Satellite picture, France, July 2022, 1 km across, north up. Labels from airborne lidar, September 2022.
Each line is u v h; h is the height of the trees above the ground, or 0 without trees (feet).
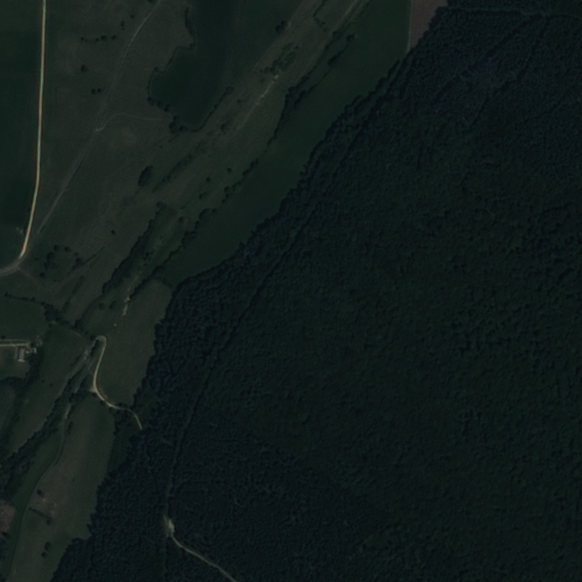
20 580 0
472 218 57
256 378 47
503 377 62
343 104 0
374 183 57
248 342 47
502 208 61
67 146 0
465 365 65
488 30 60
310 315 43
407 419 63
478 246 58
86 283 0
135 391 0
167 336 56
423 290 52
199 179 0
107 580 70
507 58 60
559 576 62
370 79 0
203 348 73
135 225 0
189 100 0
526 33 61
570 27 52
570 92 73
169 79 0
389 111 81
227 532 69
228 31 0
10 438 33
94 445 0
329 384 59
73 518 0
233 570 74
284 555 58
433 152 71
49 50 0
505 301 54
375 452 59
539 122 68
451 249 64
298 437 59
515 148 68
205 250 0
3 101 0
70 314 0
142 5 0
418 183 53
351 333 67
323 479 61
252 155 0
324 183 69
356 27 0
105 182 0
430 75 70
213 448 43
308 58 0
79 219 0
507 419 73
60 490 0
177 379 88
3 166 0
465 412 52
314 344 45
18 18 0
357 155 57
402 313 44
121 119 0
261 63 0
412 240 55
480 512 53
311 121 0
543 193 51
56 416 21
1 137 0
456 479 50
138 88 0
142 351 0
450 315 58
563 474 53
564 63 63
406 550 52
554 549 58
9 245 0
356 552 58
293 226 60
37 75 0
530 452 55
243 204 0
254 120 0
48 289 0
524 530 59
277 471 68
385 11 0
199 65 0
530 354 65
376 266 64
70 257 0
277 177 0
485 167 49
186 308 79
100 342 37
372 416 49
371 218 55
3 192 0
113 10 0
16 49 0
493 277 68
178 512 59
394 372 54
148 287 52
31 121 0
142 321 0
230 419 38
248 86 0
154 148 0
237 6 0
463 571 26
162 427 49
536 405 58
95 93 30
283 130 33
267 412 46
